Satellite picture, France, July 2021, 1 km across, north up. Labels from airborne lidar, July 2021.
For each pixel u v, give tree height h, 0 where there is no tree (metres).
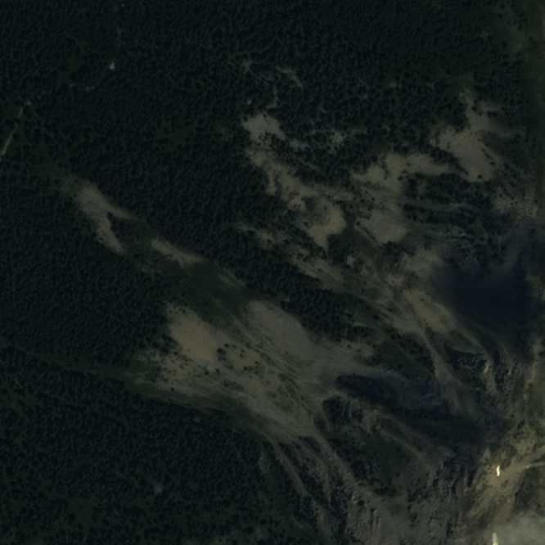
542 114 0
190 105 18
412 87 15
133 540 15
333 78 14
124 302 25
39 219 19
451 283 0
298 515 12
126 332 16
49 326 20
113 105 22
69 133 19
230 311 0
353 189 9
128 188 16
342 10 23
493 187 9
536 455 0
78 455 19
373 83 18
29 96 19
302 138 15
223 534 17
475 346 0
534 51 0
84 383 26
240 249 17
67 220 18
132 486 26
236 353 0
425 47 21
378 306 0
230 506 17
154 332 12
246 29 15
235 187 18
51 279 9
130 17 27
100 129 18
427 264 0
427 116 13
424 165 0
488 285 0
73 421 28
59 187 8
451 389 0
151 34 24
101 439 28
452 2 14
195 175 12
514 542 0
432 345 0
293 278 19
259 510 6
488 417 0
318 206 0
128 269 8
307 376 0
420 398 0
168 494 18
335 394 0
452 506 0
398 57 18
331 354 0
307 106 14
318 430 0
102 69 27
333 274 0
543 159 0
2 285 8
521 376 0
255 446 13
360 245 0
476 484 0
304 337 0
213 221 24
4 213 16
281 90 18
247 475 13
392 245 11
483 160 0
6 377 23
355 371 0
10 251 20
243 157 12
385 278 0
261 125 0
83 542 23
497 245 9
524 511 0
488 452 0
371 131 14
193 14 26
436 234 0
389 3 21
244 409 0
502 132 0
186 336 0
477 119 0
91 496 12
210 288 0
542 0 0
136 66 26
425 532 0
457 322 0
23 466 19
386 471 0
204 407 0
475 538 0
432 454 0
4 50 17
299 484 0
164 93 22
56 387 23
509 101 11
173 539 9
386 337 0
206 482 16
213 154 15
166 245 0
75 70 0
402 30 19
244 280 23
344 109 15
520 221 0
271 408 0
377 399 10
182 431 15
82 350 17
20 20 29
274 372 0
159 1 21
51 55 27
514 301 0
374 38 18
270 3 21
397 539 0
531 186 0
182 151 16
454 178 9
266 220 18
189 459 19
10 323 23
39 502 14
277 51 25
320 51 17
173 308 0
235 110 21
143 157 15
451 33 14
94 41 25
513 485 0
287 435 0
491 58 12
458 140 0
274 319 0
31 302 20
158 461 19
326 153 11
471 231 10
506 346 0
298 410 0
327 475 0
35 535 13
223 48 21
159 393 0
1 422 18
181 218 17
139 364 0
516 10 8
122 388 29
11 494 27
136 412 28
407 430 0
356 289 0
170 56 30
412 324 0
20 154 15
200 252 17
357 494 0
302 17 7
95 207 0
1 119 24
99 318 22
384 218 0
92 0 27
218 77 20
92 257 17
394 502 0
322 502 9
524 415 0
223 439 16
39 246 20
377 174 0
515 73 8
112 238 0
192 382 0
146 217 13
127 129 15
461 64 19
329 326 9
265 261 25
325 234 0
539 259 0
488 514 0
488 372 0
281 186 0
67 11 25
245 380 0
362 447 0
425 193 0
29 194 29
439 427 0
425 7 16
